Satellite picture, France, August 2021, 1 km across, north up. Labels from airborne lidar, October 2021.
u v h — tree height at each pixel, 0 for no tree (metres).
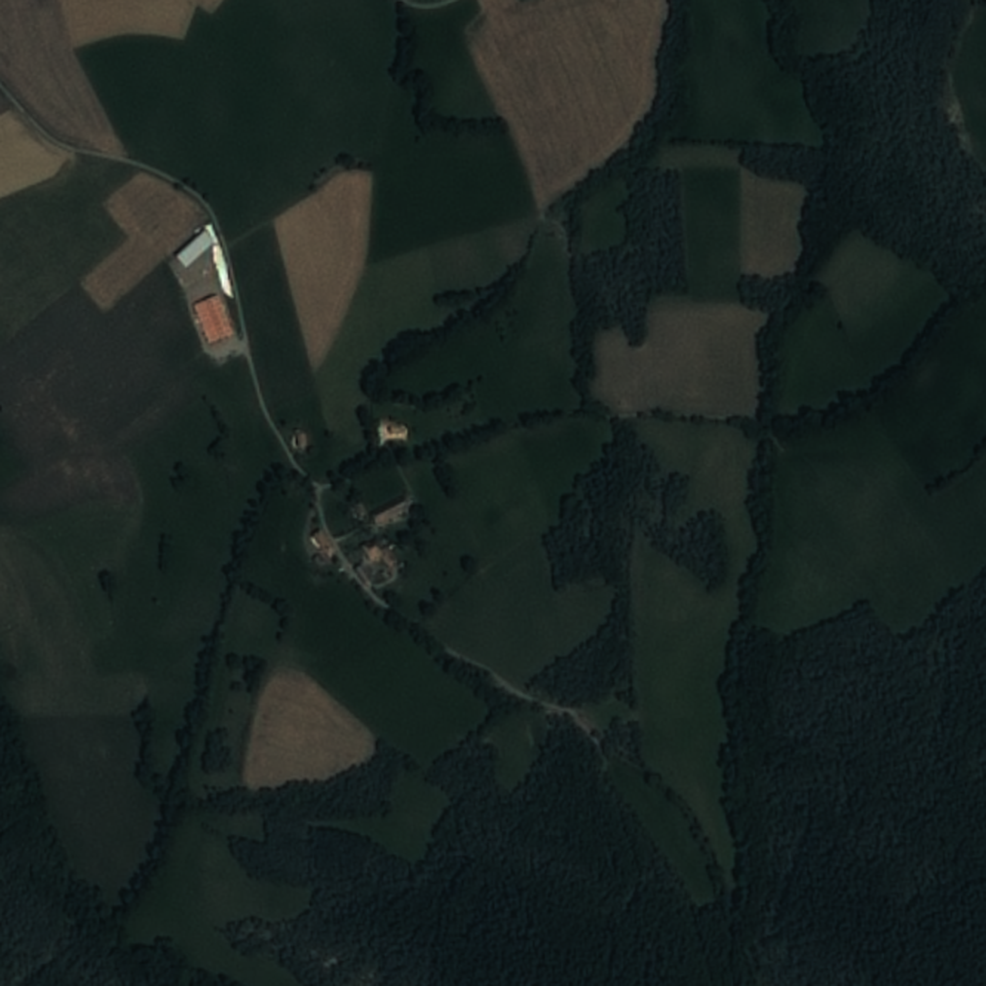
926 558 0
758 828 18
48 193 0
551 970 24
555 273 0
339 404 0
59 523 0
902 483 0
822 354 0
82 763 0
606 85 0
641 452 8
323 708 0
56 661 0
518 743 0
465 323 17
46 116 0
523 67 0
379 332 0
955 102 0
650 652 0
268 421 0
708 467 0
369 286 0
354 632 0
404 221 0
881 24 11
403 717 0
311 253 0
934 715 9
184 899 0
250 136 0
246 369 0
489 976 23
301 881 6
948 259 13
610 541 13
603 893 13
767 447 18
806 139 0
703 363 0
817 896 26
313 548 0
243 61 0
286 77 0
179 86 0
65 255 0
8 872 8
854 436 0
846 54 10
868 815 15
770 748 17
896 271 0
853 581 0
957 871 17
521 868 14
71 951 16
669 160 0
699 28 0
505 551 0
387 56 0
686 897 7
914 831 16
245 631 0
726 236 0
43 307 0
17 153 0
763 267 0
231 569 10
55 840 15
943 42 14
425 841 0
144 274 0
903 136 9
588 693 11
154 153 0
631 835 13
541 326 0
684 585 0
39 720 0
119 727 0
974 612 12
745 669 22
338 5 0
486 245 0
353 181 0
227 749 9
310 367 0
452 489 18
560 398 0
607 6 0
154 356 0
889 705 14
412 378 0
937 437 0
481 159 0
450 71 0
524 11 0
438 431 0
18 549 0
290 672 0
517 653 0
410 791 0
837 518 0
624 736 12
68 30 0
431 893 15
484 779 9
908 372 14
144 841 0
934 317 0
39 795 19
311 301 0
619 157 11
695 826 6
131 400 0
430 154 0
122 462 0
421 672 0
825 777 8
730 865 0
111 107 0
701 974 21
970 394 0
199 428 0
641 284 8
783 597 0
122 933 16
